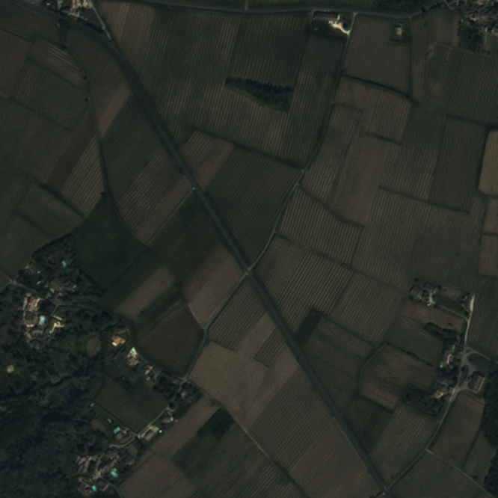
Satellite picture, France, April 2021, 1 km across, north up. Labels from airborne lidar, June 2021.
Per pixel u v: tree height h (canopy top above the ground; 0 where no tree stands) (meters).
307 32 0
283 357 0
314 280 0
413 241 0
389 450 0
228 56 0
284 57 0
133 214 0
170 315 0
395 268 0
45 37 0
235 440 0
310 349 0
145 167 0
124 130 0
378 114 0
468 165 0
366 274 0
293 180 0
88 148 0
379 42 0
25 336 11
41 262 15
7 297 11
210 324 0
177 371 0
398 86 0
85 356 10
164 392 7
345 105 0
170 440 0
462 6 12
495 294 0
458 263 0
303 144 0
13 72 0
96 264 0
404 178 0
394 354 0
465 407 0
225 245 0
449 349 0
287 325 0
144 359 0
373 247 0
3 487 23
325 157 0
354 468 0
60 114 0
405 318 0
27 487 17
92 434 5
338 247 0
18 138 0
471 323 0
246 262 0
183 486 0
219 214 0
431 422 0
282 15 0
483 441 0
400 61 0
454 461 0
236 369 0
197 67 0
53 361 12
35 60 0
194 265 0
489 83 0
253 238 0
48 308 15
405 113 0
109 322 17
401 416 0
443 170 0
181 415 0
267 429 0
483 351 0
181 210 0
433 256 0
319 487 0
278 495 0
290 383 0
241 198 0
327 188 0
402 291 0
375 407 0
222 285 0
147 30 0
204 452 0
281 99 19
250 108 0
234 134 0
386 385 0
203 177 0
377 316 0
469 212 0
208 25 0
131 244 0
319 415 0
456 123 0
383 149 0
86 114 0
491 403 16
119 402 0
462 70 0
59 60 0
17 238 0
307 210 0
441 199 0
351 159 0
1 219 0
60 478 22
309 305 0
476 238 0
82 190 0
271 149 0
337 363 0
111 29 0
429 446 0
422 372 0
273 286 0
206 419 0
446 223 0
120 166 0
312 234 0
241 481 0
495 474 6
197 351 0
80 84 0
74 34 0
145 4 0
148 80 0
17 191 0
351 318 0
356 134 0
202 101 0
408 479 0
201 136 0
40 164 0
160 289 0
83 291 12
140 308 0
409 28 0
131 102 0
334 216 0
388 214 0
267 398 0
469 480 0
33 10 0
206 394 0
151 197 0
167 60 0
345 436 0
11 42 0
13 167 0
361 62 0
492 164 0
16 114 0
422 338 0
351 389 0
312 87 0
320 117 0
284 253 0
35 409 24
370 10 0
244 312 0
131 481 0
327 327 0
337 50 0
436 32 0
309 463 0
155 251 0
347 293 0
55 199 0
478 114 0
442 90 0
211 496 0
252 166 0
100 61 0
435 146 0
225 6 0
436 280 0
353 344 0
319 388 0
